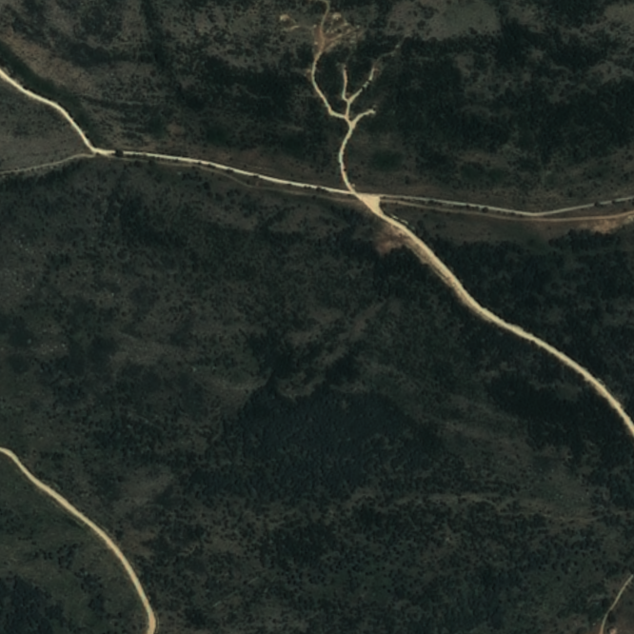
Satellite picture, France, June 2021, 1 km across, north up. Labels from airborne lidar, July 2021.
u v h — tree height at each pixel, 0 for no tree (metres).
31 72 0
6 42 0
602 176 6
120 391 6
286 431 13
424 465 9
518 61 8
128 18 0
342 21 0
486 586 8
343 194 0
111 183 0
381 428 7
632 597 0
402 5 0
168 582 9
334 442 10
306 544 7
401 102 6
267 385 10
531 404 7
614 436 8
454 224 0
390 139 0
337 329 6
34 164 0
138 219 7
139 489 0
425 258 0
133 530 0
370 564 12
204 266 6
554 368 10
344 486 5
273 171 0
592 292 7
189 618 8
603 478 9
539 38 9
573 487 0
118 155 11
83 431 7
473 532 7
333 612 6
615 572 6
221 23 0
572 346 7
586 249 8
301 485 8
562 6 9
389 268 8
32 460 0
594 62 8
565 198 0
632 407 7
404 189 0
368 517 7
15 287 0
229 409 0
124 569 0
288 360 8
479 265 8
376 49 8
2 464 0
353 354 10
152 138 0
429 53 7
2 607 8
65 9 0
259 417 11
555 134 6
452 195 0
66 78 0
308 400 9
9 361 0
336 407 10
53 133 0
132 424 5
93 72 0
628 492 12
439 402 8
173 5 0
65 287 0
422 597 7
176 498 0
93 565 0
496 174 0
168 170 0
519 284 9
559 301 8
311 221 0
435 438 6
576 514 0
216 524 7
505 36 7
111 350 0
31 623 7
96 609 9
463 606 7
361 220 12
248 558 8
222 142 0
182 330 0
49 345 0
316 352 9
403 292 7
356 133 0
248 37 0
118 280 0
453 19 0
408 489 7
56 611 10
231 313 0
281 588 8
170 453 6
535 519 5
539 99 7
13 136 0
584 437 7
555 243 10
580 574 10
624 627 0
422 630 6
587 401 8
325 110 0
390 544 6
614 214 0
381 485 7
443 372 9
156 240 7
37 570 0
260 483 10
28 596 11
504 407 7
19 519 7
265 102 10
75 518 0
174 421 6
